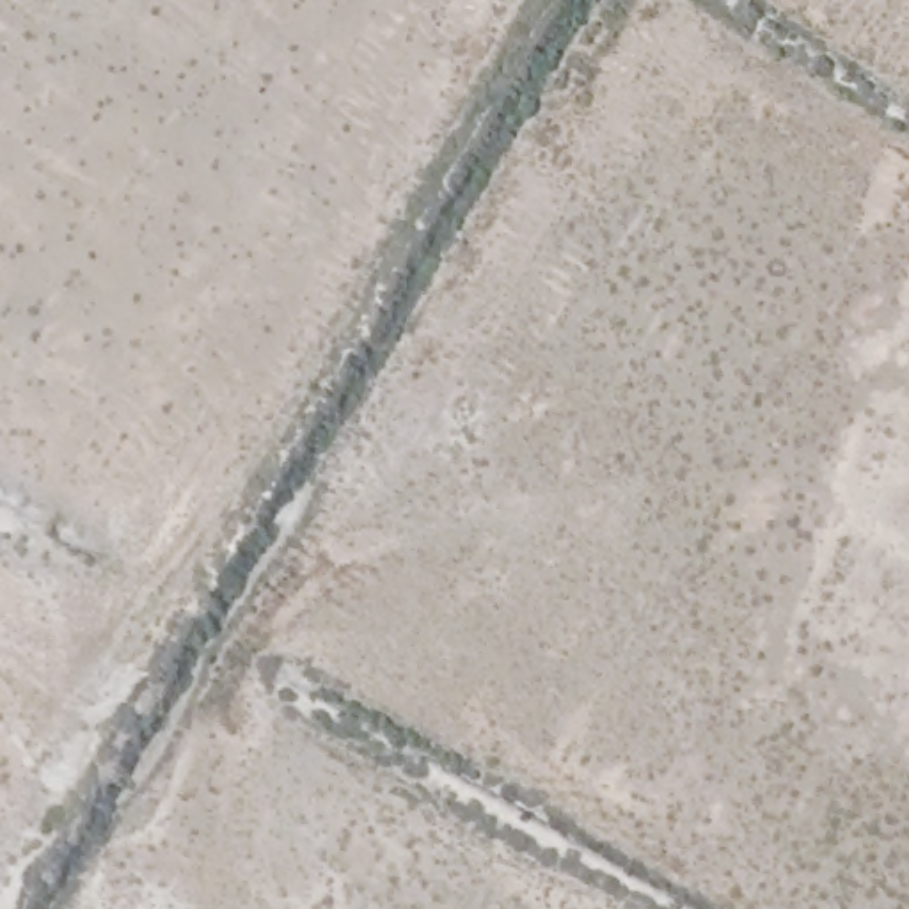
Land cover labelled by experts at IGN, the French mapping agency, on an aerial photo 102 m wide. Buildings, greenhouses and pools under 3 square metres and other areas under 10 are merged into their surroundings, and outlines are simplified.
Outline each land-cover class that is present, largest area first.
<instances>
[{"label":"pervious surface","instance_id":"1","mask_svg":"<svg viewBox=\"0 0 909 909\"><path fill-rule=\"evenodd\" d=\"M526 0H0V909H18L25 870L57 845L50 831H43L46 810L64 802V792L85 774L89 760L99 749L103 721L149 671L156 646L167 639L170 618H195L206 611L220 579L213 540L220 529V515L241 504L245 479L266 458V440L288 430V423L298 415L295 401L309 391L316 369H323L330 355V337H323L320 330L337 312V305H344L341 284L355 281L352 259L366 249H376L391 224L405 213L408 195L419 188V174L440 153L444 138L462 128L469 92L479 85V75L486 67H494L501 43ZM579 71H568L565 89H543L540 110L522 121L511 149L497 160L490 185L479 192L476 206L465 213V224L451 234V245L440 252V266L430 288L415 298L408 327L387 355V362L380 366V373L369 380L362 405L344 419L334 444L316 458V469L327 476V497L309 540L302 543V589L291 593L288 604L273 614L270 646L273 653H281L277 678L263 685L259 671H245V685L238 692L245 703V724L234 735L217 721V714L195 721L192 728L181 724L185 707L195 700L188 689L178 696L167 724L146 746L131 788L117 795L114 834L85 866L71 909H625L618 898L575 881L565 870L515 863V849L483 838L469 820H455L447 813L451 795H458L462 802H479L501 824L536 838L554 852H572L582 859V866L614 877L621 888L639 891L657 905H668V891L632 877L628 870L607 863L604 856L543 824L522 820L518 810L501 799V788H476L444 767H430L426 778H412L401 767H376L344 739L320 731L312 714L341 717V710L337 703L312 700V682L302 675L309 657L320 671L344 682L352 700L387 710L401 724L437 739L440 746L469 756L472 763L501 756V774L508 781H515L518 788L547 792L550 802L565 810L575 824H582L589 834L618 845L621 852L664 873L668 881L707 895L714 909H909V138L902 131L881 128L863 107L827 92L824 78L788 60H778L760 43H749V36H739L707 11L692 7L689 0H632L621 43L611 57H604L600 75L593 82V107H575ZM771 7H781L788 21H810L817 32H824L831 57H852L877 85H884L888 117L902 121L909 114V0H767Z\"/></svg>","mask_w":909,"mask_h":909},{"label":"brushwood","instance_id":"2","mask_svg":"<svg viewBox=\"0 0 909 909\"><path fill-rule=\"evenodd\" d=\"M632 0H526L501 43L494 67H486L479 75V85L469 92L462 128L444 138L440 153L419 174V188L408 195L405 213L391 224L376 249H366L352 259L355 281L341 284L344 305H337V312L320 330L323 337H330V355L323 369H316L309 391L295 401L298 415L288 423V430L266 440V458L245 479L241 504L220 515V529L213 540L220 579L206 611L195 618H170L167 639L156 646L149 671L103 721L99 749L89 760L85 774L64 792V802L46 810L43 831H50L57 845L25 870L18 909H71L85 866L114 834L117 795L131 788L146 746L167 724L178 696L188 689L195 700L185 707L181 724L192 728L195 721L217 714V721L234 735L245 724V703L238 692L245 685V671H259L263 685L277 678L281 653H273L270 646L273 614L288 604L291 593L302 589V543L309 540L327 497V476L316 469V458L334 444L344 419L362 405L369 380L380 373V366L387 362V355L408 327L415 298L430 288L440 266V252L451 245V234L465 224V213L476 206L479 192L490 185L497 160L511 149L522 121L540 110L543 89H565L568 71H579L575 107H593V82L600 75L604 57H611L621 43ZM692 7L707 11L739 36H749V43H760L778 60H788L824 78L827 92L863 107L881 128L902 131L909 138V114L902 121L888 117L884 85H877L852 57H831L824 32H817L810 21H788L781 7H771L767 0H689ZM302 675L312 682V700L337 703L341 710V717L312 714L320 731L344 739L376 767H401L412 778H426L430 767H444L476 788H501V799L518 810L522 820L543 824L604 856L607 863L628 870L632 877L668 891V905H657L639 891L621 888L614 877L582 866V859L572 852H554L536 838L501 824L479 802H462L458 795H451L447 813L455 820H469L483 838L515 849V863L565 870L575 881L618 898L625 909H714L707 895L668 881L664 873L621 852L618 845L589 834L582 824H575L565 810L550 802L547 792L518 788L515 781H508L501 774V756L472 763L469 756L440 746L437 739L401 724L387 710L352 700L344 682L320 671L309 657Z\"/></svg>","mask_w":909,"mask_h":909}]
</instances>
